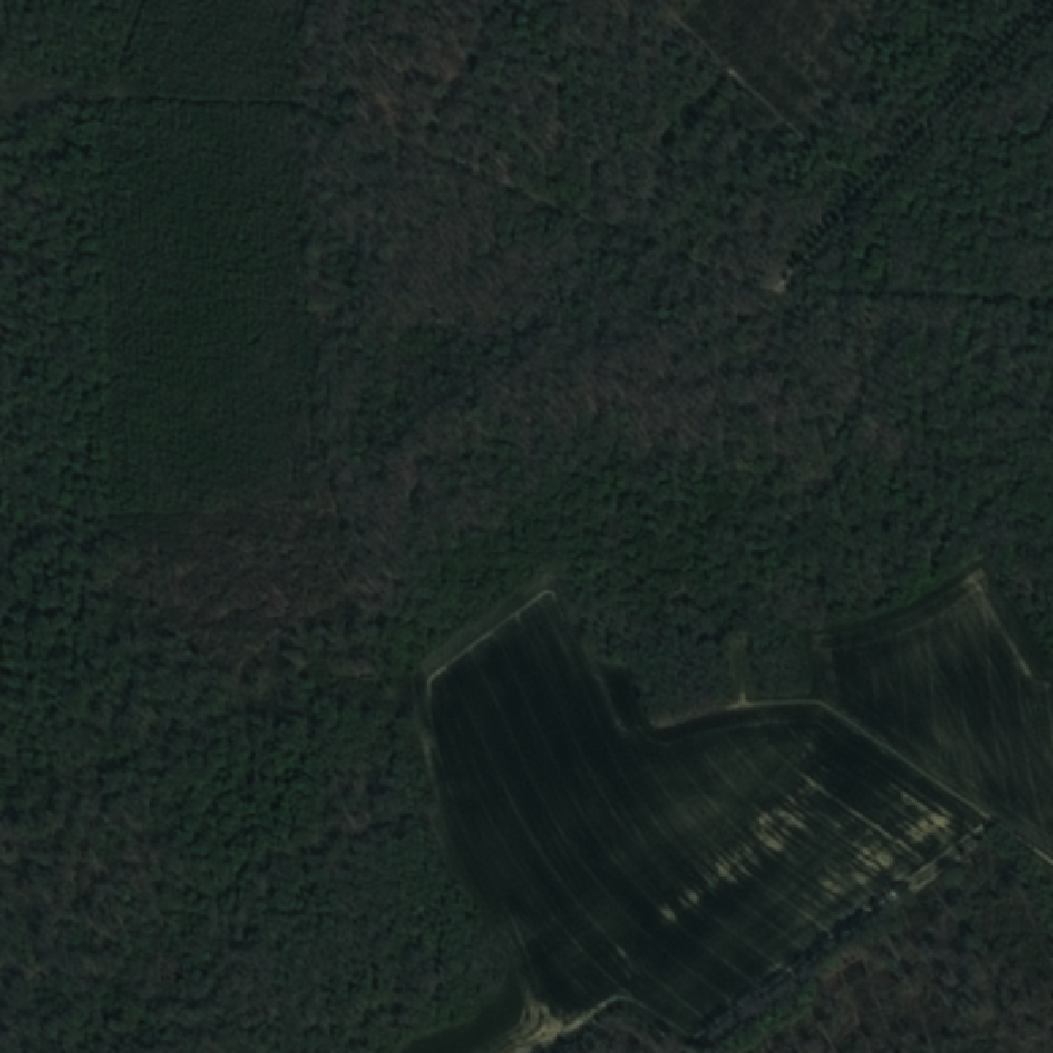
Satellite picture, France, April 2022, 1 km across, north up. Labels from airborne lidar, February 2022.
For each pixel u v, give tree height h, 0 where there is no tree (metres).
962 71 9
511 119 28
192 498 11
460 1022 18
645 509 20
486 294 32
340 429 25
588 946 0
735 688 23
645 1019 0
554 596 0
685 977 0
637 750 0
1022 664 0
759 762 0
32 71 15
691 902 0
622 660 20
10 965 19
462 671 0
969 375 22
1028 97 26
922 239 19
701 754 0
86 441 24
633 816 0
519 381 25
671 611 22
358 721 24
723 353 26
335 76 23
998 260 21
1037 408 22
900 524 15
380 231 24
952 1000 28
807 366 25
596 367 30
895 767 0
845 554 25
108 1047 26
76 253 23
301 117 23
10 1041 31
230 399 12
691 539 23
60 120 23
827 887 0
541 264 26
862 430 24
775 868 0
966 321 17
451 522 26
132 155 9
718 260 21
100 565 27
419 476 26
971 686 0
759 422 26
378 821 7
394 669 25
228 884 20
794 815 0
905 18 23
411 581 23
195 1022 28
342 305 24
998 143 23
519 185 18
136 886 27
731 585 22
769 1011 26
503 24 21
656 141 29
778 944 0
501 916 0
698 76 25
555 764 0
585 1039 11
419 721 25
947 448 24
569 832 0
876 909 0
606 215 22
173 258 8
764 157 26
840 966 30
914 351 28
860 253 22
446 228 29
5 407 18
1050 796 0
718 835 0
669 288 14
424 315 30
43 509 26
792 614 27
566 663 0
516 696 0
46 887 28
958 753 0
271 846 20
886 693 0
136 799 25
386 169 25
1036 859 21
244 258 10
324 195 22
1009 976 13
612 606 22
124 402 11
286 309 11
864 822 0
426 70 32
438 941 16
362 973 23
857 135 25
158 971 26
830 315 23
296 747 25
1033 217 23
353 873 21
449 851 0
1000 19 22
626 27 27
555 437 26
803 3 0
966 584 0
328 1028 23
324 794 23
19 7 13
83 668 21
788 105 0
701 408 29
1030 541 20
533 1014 0
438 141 22
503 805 0
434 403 22
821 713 0
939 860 0
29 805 26
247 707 0
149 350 12
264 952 26
